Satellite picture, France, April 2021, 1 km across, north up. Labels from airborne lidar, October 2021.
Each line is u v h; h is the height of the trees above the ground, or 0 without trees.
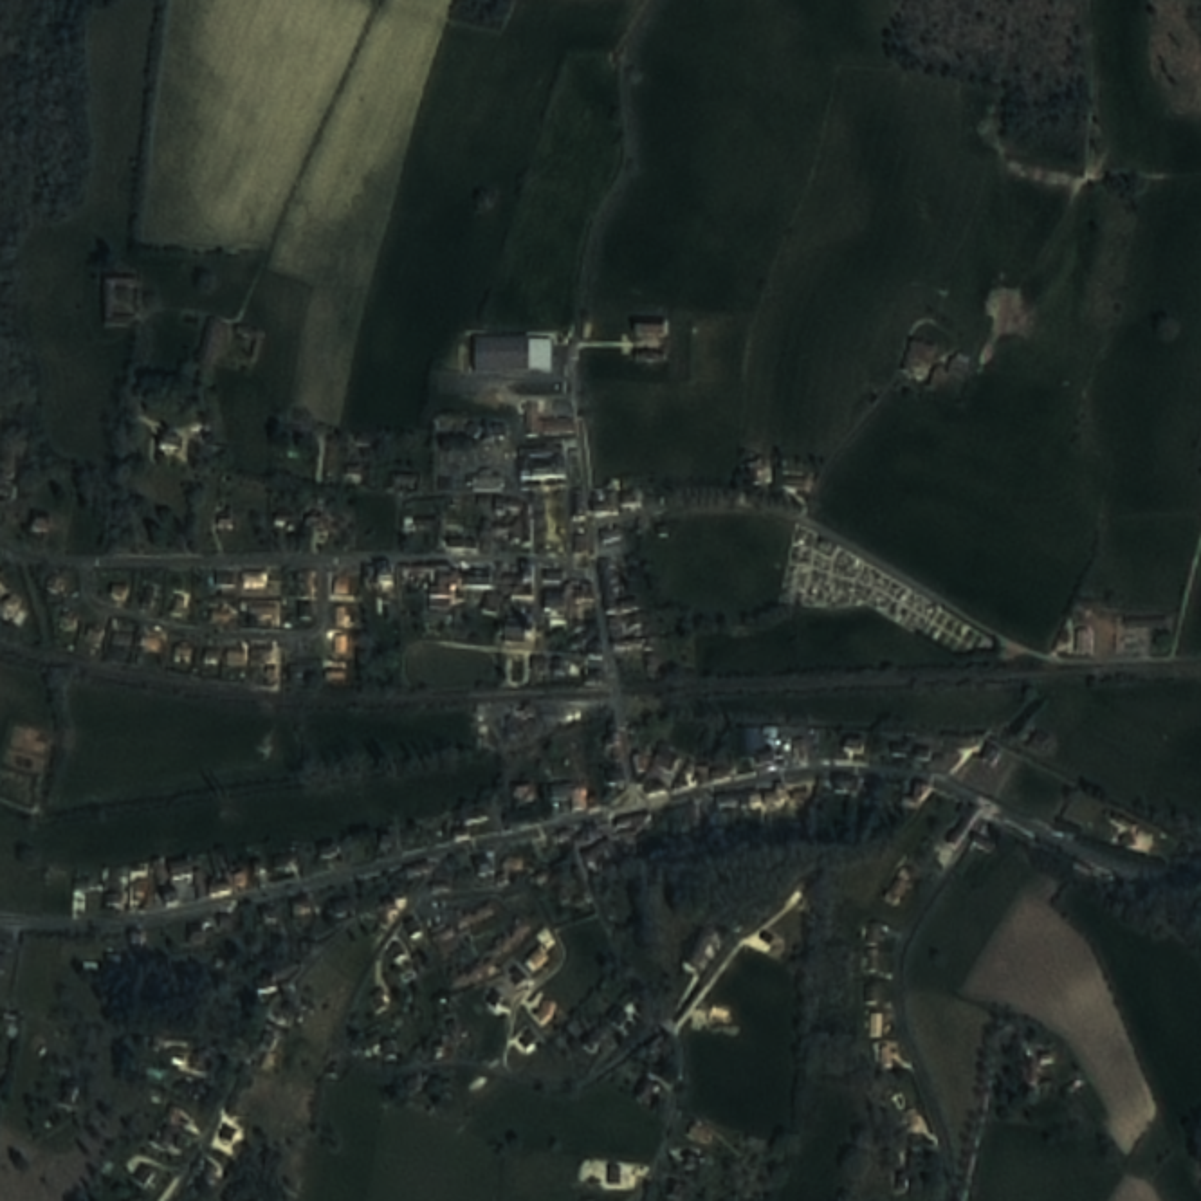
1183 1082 0
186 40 0
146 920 0
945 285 0
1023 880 0
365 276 0
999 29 8
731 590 0
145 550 8
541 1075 0
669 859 15
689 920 23
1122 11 0
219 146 0
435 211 0
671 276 0
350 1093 0
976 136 0
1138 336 0
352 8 0
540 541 9
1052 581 0
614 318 0
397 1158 0
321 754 0
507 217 0
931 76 8
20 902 0
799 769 0
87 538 0
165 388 19
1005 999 0
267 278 0
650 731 15
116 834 0
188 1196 7
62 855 0
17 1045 6
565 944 0
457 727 0
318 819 0
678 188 0
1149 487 0
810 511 8
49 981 0
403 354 0
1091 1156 0
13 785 0
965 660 8
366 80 0
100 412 0
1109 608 8
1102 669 0
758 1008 0
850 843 12
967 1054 0
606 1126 0
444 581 0
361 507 7
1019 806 0
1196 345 0
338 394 0
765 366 0
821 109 0
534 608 0
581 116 0
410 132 0
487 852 6
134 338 12
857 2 0
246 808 0
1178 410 0
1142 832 0
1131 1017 0
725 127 0
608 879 13
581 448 0
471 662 0
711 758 9
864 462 0
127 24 0
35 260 0
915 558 0
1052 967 0
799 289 0
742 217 0
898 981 0
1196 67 0
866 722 0
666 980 6
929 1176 11
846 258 0
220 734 0
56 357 0
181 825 0
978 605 0
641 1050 6
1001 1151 0
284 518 0
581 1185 0
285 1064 8
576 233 0
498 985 0
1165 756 0
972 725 0
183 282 0
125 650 8
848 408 0
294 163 0
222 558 0
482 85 0
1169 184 0
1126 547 0
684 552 0
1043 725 0
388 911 0
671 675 14
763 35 0
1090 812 0
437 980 0
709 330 0
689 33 0
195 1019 24
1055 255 0
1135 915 18
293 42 0
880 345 0
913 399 7
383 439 7
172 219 0
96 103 0
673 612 6
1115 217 0
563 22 0
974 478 0
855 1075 10
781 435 0
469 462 0
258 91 0
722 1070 0
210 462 25
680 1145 0
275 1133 0
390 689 11
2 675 0
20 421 8
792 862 26
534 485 7
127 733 0
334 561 0
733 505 24
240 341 6
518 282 0
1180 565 0
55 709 11
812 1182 0
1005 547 0
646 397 0
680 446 0
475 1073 0
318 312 0
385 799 0
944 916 0
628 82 9
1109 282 0
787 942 0
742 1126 0
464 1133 0
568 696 0
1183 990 0
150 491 0
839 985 17
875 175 0
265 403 0
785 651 0
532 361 0
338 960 0
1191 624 0
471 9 6
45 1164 0
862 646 0
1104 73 0
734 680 7
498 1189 0
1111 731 0
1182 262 0
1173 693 0
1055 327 0
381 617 0
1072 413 0
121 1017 14
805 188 0
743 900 22
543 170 0
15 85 11
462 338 0
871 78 0
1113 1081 0
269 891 0
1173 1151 0
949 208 0
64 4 16
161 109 0
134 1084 13
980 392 0
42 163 17
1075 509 0
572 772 0
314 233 0
